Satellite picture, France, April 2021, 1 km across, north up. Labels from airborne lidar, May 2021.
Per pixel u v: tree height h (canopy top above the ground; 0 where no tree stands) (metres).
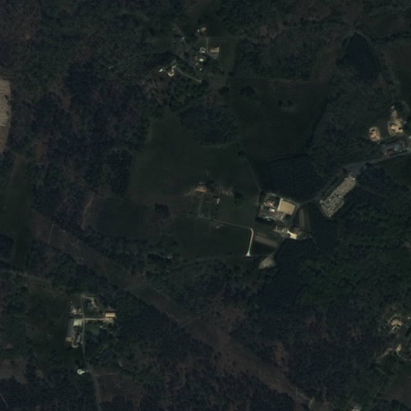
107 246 8
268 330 19
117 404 19
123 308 21
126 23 18
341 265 16
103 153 19
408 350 10
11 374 0
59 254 10
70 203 7
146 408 12
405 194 20
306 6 0
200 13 0
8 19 14
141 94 14
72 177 15
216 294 14
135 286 0
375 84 15
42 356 0
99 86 19
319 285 25
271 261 0
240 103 0
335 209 0
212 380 18
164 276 16
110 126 7
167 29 21
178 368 17
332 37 14
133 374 17
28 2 15
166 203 0
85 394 10
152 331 16
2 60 0
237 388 18
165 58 7
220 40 0
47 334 0
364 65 12
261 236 0
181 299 18
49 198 23
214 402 12
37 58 20
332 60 0
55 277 18
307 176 12
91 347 19
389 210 17
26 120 12
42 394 12
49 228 0
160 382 12
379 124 0
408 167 0
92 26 21
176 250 15
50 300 0
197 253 0
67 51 17
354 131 8
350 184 0
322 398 20
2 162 16
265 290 14
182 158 0
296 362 8
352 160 7
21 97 12
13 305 14
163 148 0
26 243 0
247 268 0
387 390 14
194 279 10
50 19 26
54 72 17
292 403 20
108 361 11
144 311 22
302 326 19
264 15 14
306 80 20
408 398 0
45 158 10
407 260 25
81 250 0
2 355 12
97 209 0
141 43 10
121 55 11
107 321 0
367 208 16
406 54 0
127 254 12
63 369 10
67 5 13
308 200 0
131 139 7
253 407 12
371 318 20
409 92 0
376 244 11
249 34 16
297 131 0
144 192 0
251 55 12
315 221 11
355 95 13
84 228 0
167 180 0
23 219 0
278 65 14
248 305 12
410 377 0
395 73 0
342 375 20
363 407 17
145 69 7
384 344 21
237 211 0
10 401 12
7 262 0
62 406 16
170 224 11
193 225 0
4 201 0
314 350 22
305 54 19
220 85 0
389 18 0
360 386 23
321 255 17
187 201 0
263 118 0
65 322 0
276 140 0
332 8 0
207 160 0
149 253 16
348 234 12
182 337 17
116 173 7
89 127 9
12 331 11
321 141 12
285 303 13
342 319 21
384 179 29
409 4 14
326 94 0
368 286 17
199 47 0
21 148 22
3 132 0
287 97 0
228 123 13
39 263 13
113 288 13
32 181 9
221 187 0
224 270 16
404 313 11
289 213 0
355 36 9
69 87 18
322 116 7
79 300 0
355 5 0
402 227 22
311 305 9
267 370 0
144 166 0
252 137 0
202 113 26
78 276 10
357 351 21
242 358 0
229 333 10
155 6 24
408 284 23
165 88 0
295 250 13
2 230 0
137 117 6
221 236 0
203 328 0
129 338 21
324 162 14
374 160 14
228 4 21
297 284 14
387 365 0
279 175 11
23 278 10
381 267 17
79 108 11
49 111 21
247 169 0
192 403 13
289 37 9
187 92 11
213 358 18
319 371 23
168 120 0
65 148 21
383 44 6
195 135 7
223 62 0
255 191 0
